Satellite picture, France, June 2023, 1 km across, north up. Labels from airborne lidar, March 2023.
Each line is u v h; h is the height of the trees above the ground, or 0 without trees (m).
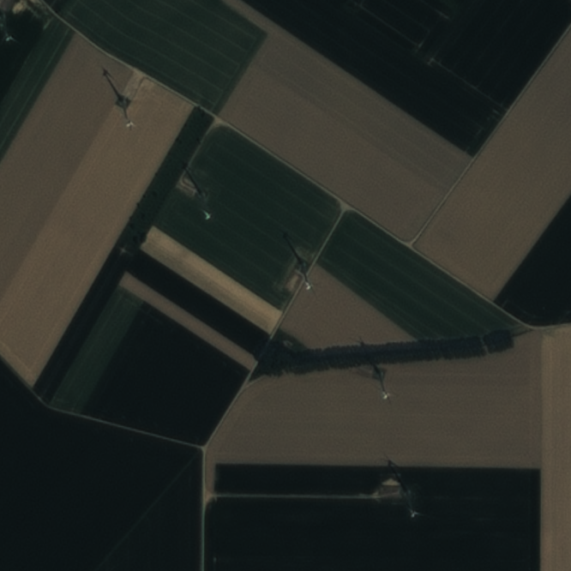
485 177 0
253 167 0
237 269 0
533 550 0
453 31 0
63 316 0
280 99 0
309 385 0
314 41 0
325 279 0
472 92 0
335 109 0
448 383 0
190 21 0
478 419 0
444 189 0
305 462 0
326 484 0
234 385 0
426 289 0
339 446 0
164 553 0
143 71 0
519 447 0
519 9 0
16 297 0
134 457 0
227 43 0
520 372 0
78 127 0
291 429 0
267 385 0
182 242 0
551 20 0
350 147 0
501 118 0
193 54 0
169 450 0
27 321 0
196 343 0
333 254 0
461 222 0
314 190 0
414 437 0
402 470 0
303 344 0
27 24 0
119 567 0
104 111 0
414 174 0
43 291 0
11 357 0
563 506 0
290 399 0
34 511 0
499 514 0
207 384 0
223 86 0
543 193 0
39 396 0
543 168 0
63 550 0
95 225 0
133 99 0
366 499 0
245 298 0
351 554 0
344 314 0
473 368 0
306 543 0
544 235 0
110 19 0
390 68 0
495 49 0
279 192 0
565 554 0
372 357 27
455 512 0
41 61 0
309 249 0
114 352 0
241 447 0
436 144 0
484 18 0
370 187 0
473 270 0
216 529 0
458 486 0
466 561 0
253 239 0
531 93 0
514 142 0
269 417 0
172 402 0
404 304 0
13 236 0
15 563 0
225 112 0
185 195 0
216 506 0
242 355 0
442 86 0
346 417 0
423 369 0
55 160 0
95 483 0
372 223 0
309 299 0
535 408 0
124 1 0
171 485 0
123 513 0
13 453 0
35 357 0
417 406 0
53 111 0
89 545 0
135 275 0
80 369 0
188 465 0
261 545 0
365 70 0
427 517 0
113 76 0
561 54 0
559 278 0
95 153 0
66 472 0
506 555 0
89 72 0
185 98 0
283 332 0
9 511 0
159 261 0
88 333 0
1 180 0
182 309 0
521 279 0
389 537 0
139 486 0
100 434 0
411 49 0
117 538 0
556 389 0
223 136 0
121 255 0
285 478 0
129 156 0
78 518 0
